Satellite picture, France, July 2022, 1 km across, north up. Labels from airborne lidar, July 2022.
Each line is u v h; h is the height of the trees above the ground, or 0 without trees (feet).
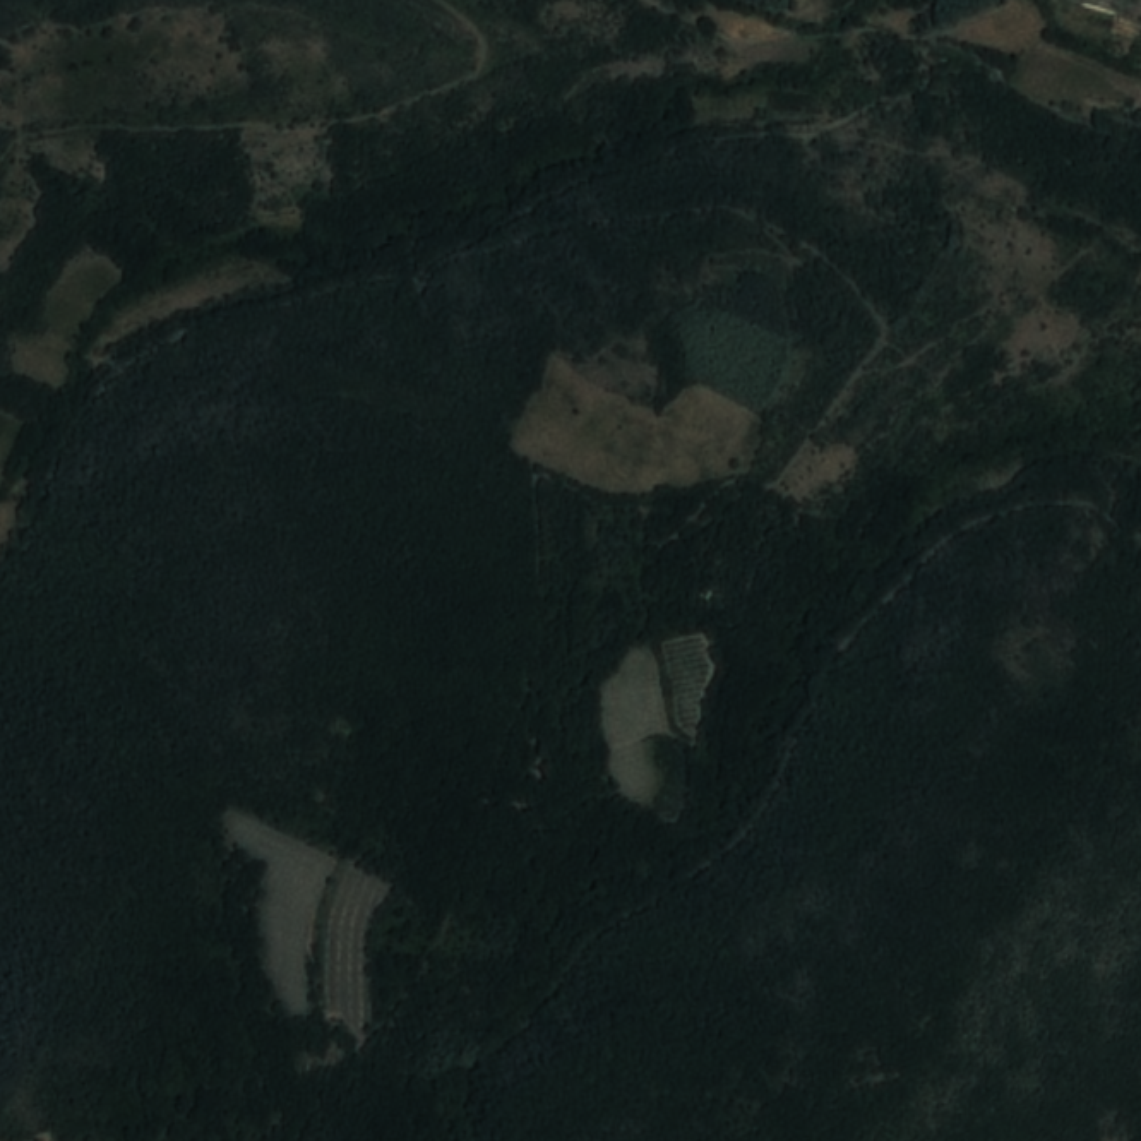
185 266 29
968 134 20
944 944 24
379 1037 35
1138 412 50
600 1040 29
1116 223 27
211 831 31
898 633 23
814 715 20
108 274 0
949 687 18
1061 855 26
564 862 49
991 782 18
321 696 22
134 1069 43
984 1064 25
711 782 34
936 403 20
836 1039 25
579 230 33
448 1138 55
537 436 0
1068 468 33
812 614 43
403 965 34
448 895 47
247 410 29
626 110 33
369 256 33
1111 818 26
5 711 19
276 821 23
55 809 22
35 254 28
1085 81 0
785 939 21
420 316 37
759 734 26
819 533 26
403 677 40
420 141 42
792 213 30
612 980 22
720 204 23
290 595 19
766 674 43
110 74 0
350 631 23
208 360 20
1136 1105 25
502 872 61
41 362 0
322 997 27
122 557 20
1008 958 30
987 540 24
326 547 17
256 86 26
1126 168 31
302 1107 32
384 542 23
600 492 30
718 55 18
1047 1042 41
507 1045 35
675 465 0
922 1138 28
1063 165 35
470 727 57
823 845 20
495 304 19
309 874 0
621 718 0
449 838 58
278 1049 38
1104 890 24
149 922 26
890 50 27
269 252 53
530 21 22
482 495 27
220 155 25
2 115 0
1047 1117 29
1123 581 24
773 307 39
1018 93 44
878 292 31
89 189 48
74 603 26
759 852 28
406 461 22
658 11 28
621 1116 18
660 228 25
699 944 25
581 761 44
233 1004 37
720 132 19
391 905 24
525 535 36
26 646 24
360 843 39
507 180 46
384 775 31
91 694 18
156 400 21
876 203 24
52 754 22
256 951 36
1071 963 30
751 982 24
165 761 22
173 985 42
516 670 54
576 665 52
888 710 20
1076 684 24
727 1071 24
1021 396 18
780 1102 19
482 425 19
